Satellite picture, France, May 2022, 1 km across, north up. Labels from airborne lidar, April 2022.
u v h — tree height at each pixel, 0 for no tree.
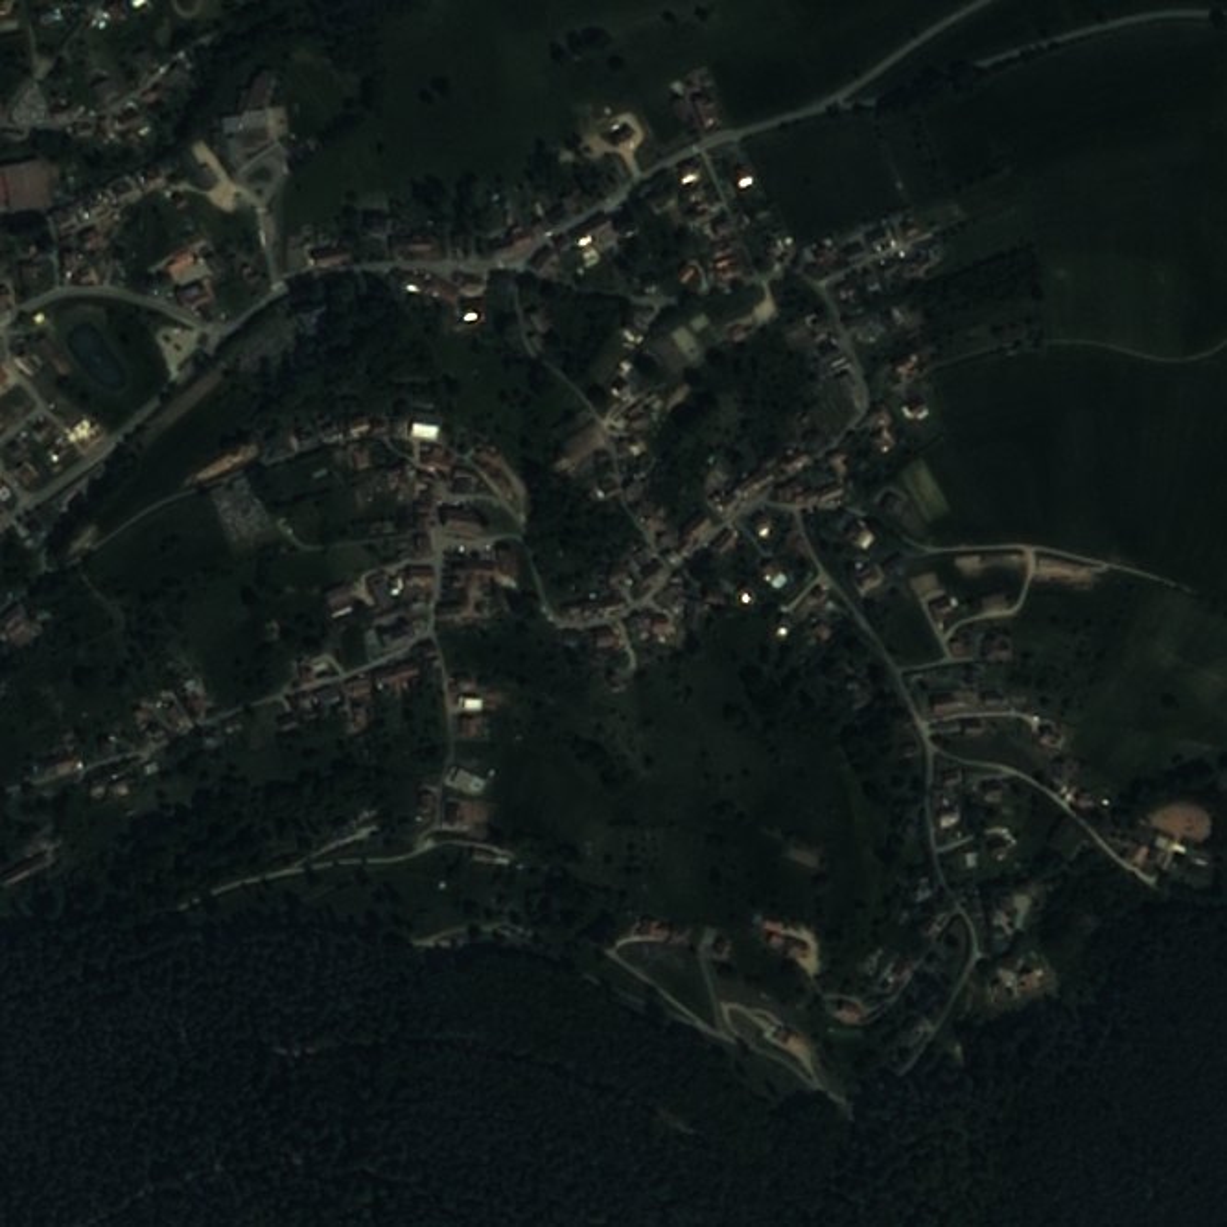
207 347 0
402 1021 22
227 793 11
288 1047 35
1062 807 0
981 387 0
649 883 0
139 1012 28
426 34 0
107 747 0
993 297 8
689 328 0
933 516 0
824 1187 21
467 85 0
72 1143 21
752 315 0
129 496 0
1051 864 14
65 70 6
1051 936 15
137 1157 30
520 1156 22
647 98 0
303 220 0
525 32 0
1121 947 14
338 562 0
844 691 9
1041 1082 21
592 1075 25
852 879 0
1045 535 0
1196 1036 16
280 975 24
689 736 0
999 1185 15
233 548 0
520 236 0
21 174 0
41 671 0
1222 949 18
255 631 0
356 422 0
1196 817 0
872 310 7
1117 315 0
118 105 0
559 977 21
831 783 0
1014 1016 0
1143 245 0
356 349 26
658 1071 21
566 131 0
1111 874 9
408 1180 24
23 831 11
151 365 0
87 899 16
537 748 0
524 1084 26
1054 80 0
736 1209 22
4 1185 9
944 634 0
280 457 0
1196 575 0
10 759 0
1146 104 0
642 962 0
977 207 0
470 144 0
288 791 11
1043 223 0
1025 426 0
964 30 0
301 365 12
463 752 0
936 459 0
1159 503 0
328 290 21
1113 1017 16
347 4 27
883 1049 6
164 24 0
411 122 0
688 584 8
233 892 0
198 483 0
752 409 12
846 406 0
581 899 24
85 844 0
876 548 0
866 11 0
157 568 0
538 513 12
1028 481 0
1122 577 0
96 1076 25
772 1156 24
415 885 0
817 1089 0
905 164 0
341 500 0
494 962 23
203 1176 26
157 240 0
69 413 0
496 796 0
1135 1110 15
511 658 0
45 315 0
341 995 29
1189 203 0
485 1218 22
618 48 0
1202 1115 16
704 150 0
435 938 0
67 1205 29
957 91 15
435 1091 28
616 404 0
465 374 0
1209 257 0
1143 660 0
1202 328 0
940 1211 33
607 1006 20
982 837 7
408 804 0
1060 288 0
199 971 31
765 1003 0
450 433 7
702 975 0
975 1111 32
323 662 0
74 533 17
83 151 0
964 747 0
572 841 0
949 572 0
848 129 0
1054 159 0
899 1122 28
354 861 0
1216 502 0
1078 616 0
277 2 14
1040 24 0
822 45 0
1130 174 0
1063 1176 13
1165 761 0
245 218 0
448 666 0
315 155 12
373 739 8
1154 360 0
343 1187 32
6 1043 27
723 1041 0
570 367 12
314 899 0
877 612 7
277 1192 32
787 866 0
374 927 16
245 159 0
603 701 0
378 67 17
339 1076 14
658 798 0
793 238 0
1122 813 9
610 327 7
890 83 0
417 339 8
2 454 0
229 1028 27
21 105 0
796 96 0
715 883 12
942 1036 0
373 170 0
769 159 0
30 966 29
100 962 16
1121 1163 14
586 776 0
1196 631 0
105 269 0
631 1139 25
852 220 0
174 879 18
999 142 0
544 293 12
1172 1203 20
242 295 0
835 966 8
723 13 0
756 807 0
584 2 0
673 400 0
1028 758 0
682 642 0
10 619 0
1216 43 0
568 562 0
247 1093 17
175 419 0
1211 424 0
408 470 0
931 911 14
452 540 0
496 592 8
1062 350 0
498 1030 27
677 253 6
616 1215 23
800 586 0
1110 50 0
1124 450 0
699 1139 22
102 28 0
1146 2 0
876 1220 34
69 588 8
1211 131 0
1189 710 0
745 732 9
